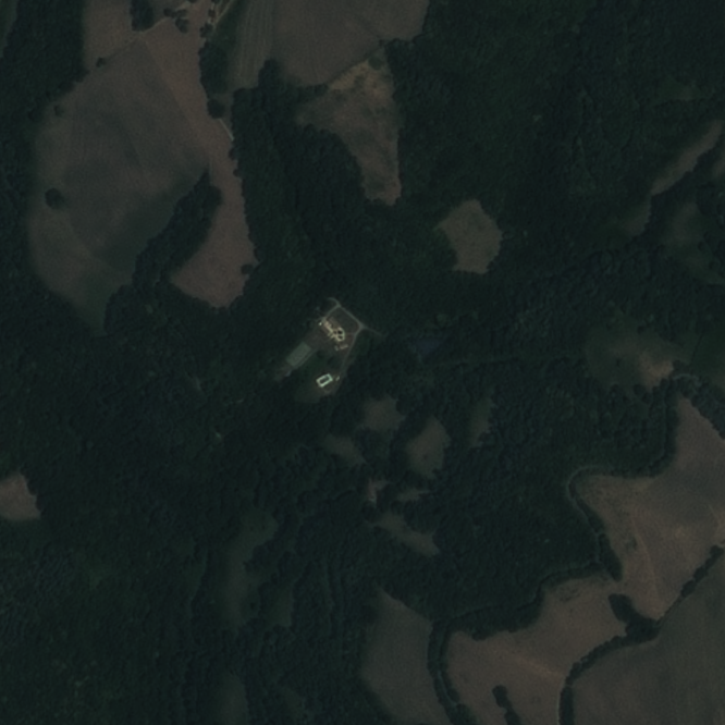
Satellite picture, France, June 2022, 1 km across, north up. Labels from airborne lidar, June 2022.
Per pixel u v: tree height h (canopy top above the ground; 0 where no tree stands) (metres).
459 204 13
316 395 0
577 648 0
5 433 15
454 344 22
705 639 0
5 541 13
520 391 25
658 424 12
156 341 14
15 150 19
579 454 14
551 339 23
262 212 17
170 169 0
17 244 13
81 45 9
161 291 15
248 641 25
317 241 17
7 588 19
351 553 17
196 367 12
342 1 0
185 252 17
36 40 17
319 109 0
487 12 17
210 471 11
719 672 0
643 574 0
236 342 10
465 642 0
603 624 0
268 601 22
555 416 23
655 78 11
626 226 0
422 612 20
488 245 0
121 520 24
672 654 0
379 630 0
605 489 0
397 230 16
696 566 0
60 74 13
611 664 0
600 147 16
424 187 20
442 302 10
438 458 0
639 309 22
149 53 0
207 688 22
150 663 24
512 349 26
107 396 30
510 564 24
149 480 29
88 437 20
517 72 18
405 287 16
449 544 35
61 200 12
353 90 0
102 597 16
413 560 34
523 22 22
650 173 25
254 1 0
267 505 17
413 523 24
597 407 27
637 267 23
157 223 0
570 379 26
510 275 25
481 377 23
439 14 15
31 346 19
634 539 0
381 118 0
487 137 18
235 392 11
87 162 0
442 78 20
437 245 16
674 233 0
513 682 0
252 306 18
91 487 20
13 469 14
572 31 29
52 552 18
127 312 19
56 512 19
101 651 11
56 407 20
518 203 21
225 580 0
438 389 8
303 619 21
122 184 0
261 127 18
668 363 0
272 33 0
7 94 17
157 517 26
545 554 19
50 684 17
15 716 17
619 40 24
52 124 0
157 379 21
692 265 0
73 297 0
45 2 15
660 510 0
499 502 24
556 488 11
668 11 17
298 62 0
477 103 14
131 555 15
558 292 33
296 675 21
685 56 17
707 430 0
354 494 18
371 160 0
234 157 17
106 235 0
